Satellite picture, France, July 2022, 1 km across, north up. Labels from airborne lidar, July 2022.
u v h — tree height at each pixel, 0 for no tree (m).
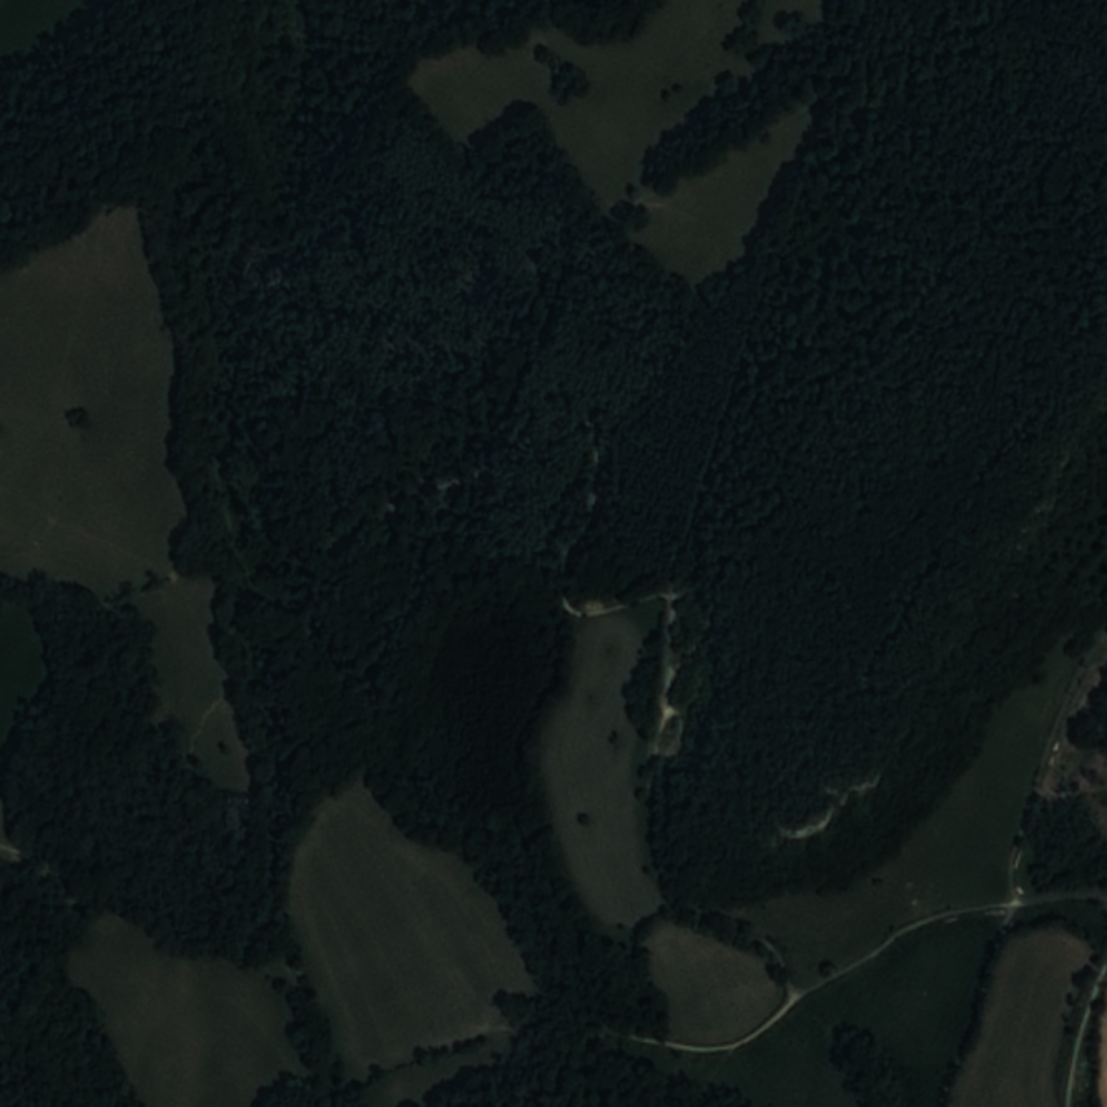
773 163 0
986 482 17
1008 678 29
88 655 16
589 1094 24
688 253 0
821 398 21
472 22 35
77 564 0
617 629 0
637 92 0
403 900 0
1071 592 31
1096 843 12
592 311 29
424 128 30
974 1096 0
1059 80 14
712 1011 0
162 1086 0
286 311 35
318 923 0
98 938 0
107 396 0
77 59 27
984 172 20
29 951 28
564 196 32
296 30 6
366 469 35
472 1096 26
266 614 31
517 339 29
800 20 15
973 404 17
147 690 22
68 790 25
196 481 34
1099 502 18
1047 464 12
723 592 25
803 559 23
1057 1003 0
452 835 24
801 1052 0
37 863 24
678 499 26
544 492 37
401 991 0
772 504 23
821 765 9
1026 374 25
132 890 28
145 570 0
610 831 0
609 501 31
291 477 27
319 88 33
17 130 36
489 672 11
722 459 22
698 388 24
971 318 21
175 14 31
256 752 19
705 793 26
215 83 30
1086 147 21
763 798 12
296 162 32
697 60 0
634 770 0
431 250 27
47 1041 27
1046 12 19
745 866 15
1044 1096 0
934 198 13
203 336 22
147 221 17
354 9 22
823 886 19
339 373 29
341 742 26
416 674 20
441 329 33
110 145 34
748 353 17
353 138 41
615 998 8
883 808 18
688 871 27
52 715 26
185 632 0
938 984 0
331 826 0
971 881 0
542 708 23
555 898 8
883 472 15
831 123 24
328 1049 24
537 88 0
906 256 27
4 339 0
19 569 0
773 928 0
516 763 14
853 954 0
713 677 11
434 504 27
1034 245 10
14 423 0
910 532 27
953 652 16
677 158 22
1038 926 13
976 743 18
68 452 0
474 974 0
